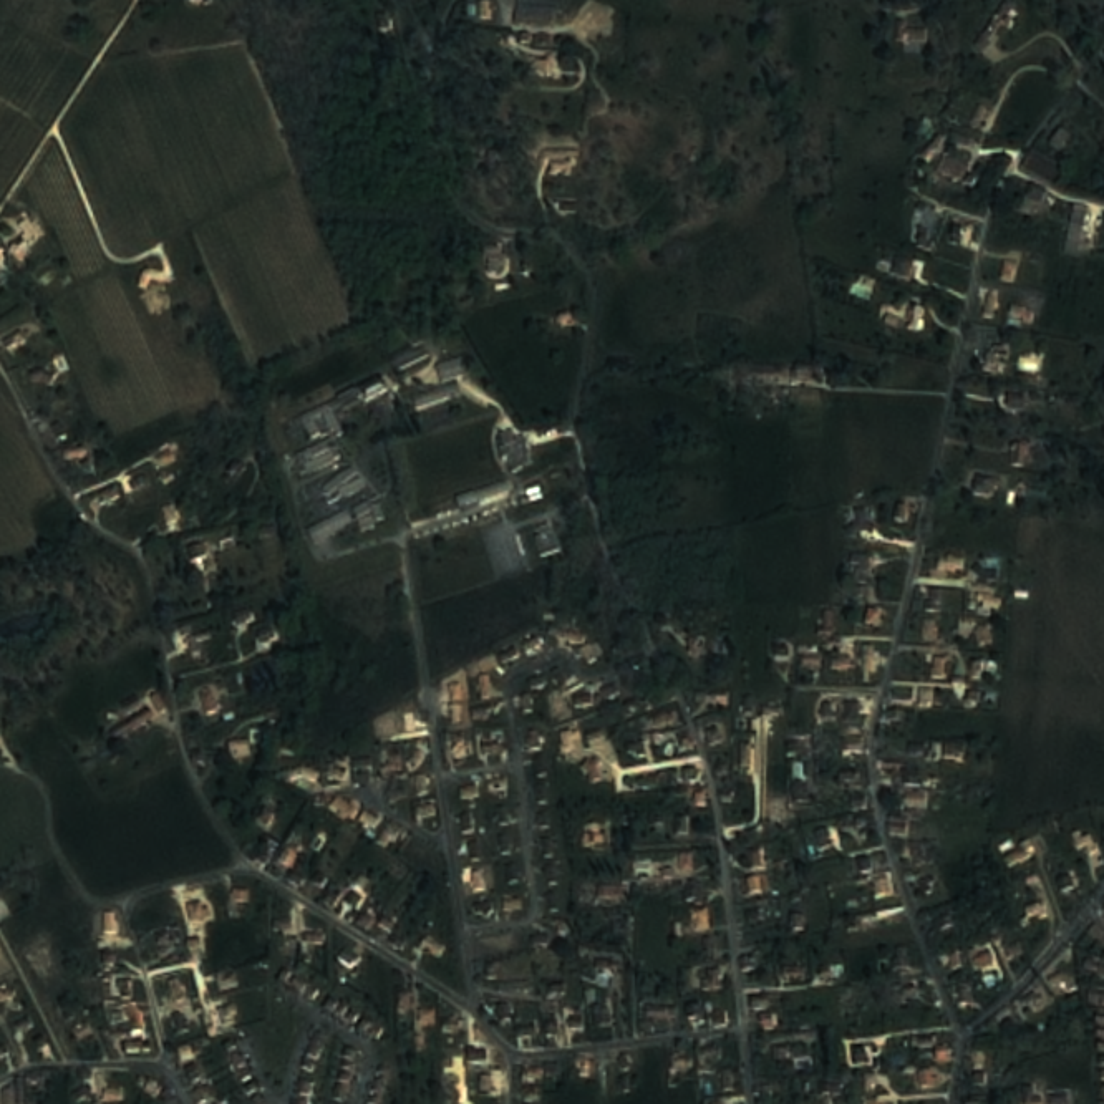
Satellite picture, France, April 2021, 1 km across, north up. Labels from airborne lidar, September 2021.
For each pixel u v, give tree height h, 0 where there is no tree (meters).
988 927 7
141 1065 0
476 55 15
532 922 0
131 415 0
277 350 0
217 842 0
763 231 0
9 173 0
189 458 10
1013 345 17
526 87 18
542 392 0
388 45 12
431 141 16
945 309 10
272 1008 0
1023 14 10
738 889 0
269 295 0
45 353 0
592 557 18
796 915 0
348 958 0
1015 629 0
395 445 20
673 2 12
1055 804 0
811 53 0
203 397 0
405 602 13
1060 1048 6
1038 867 9
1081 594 0
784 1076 11
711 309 0
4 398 0
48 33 0
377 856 0
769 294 0
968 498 13
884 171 0
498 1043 0
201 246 0
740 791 6
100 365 0
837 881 0
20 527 0
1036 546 0
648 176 8
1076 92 10
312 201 14
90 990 0
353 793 0
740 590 9
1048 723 0
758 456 0
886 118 0
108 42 0
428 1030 5
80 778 0
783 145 12
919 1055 7
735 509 0
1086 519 13
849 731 0
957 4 9
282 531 10
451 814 0
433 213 16
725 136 12
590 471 13
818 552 0
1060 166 13
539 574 0
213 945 0
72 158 0
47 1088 7
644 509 6
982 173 8
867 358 0
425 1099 9
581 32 0
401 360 0
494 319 0
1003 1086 7
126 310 0
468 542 0
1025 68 0
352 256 19
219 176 0
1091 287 6
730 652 9
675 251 13
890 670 0
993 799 6
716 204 10
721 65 0
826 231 0
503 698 0
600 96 9
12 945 0
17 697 22
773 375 0
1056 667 0
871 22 0
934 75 11
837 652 6
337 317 0
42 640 6
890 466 0
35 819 0
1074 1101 0
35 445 0
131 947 0
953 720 0
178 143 0
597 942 8
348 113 27
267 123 0
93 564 0
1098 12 7
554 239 18
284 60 13
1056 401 7
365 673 12
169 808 0
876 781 0
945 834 0
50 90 0
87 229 0
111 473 14
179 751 0
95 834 0
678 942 11
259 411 22
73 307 0
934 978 0
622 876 14
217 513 10
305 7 26
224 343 15
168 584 12
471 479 0
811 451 0
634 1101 0
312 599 17
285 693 7
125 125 0
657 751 8
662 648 18
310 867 7
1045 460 19
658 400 0
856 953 0
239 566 0
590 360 0
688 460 11
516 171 18
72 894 0
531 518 0
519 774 0
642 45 0
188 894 0
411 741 0
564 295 17
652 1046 0
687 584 12
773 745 0
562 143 0
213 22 0
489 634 0
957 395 8
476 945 0
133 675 0
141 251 0
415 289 16
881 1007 19
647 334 0
